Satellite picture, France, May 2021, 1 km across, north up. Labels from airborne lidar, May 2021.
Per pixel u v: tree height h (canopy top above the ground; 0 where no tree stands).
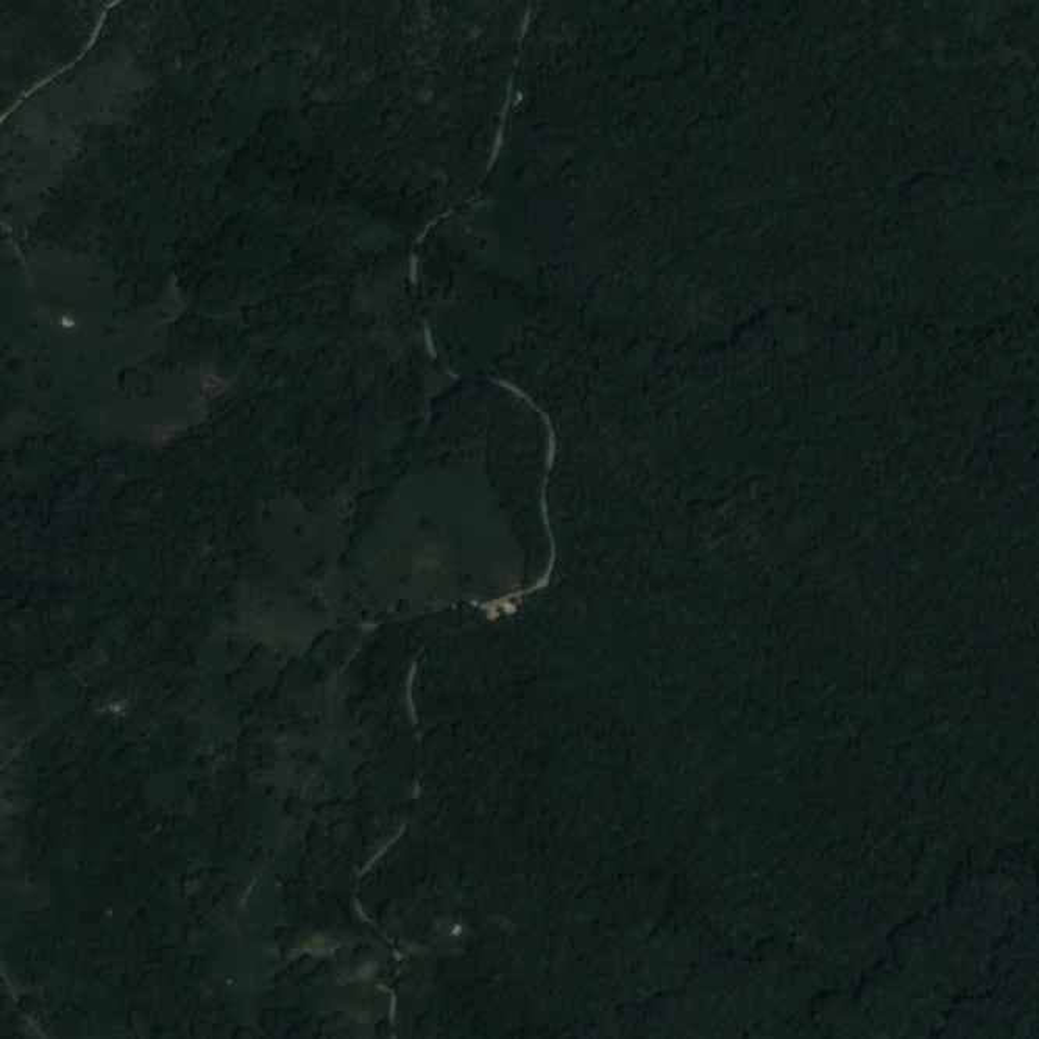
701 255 6
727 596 10
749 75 11
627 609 6
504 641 10
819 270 13
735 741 10
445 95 11
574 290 14
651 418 9
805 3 12
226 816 9
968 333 15
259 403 8
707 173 12
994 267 10
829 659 11
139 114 8
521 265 0
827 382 11
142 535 8
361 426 18
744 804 8
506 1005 13
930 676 10
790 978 18
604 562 8
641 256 7
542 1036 19
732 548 10
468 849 12
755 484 14
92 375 0
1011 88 14
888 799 9
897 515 10
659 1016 21
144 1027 16
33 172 0
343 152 11
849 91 11
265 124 11
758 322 17
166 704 14
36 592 12
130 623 11
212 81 11
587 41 8
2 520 12
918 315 8
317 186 13
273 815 0
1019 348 14
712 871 9
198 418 0
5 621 9
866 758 10
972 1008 21
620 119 9
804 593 9
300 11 10
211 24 17
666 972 17
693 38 9
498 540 0
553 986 14
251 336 14
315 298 7
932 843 17
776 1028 23
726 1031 18
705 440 10
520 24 8
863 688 10
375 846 12
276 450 13
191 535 9
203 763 11
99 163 6
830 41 15
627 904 11
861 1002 16
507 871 10
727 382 7
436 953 0
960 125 9
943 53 16
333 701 0
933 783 13
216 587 16
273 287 7
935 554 13
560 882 13
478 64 9
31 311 0
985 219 10
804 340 16
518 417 16
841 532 15
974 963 20
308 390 10
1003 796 15
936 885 20
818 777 8
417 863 10
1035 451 11
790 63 12
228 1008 12
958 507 9
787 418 6
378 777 17
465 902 10
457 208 11
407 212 23
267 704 12
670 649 8
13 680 10
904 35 11
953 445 11
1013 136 14
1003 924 23
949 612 7
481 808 11
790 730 12
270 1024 11
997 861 11
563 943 16
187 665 14
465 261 12
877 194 9
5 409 6
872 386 12
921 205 17
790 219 8
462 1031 8
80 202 8
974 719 13
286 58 10
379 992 0
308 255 18
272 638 0
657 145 10
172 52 13
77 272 0
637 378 12
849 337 16
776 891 10
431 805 14
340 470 10
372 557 0
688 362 12
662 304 9
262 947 0
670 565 10
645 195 6
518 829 9
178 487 10
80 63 7
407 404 11
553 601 9
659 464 9
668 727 7
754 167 14
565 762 12
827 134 11
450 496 0
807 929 11
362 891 8
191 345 13
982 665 10
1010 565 9
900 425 7
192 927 13
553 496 10
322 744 0
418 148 12
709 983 19
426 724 14
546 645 8
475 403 21
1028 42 11
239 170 17
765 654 11
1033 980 15
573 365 12
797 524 13
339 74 9
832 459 10
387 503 9
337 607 0
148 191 9
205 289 10
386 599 0
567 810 13
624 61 15
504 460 8
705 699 11
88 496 7
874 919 11
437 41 12
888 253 14
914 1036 22
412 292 12
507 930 8
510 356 11
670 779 8
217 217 7
